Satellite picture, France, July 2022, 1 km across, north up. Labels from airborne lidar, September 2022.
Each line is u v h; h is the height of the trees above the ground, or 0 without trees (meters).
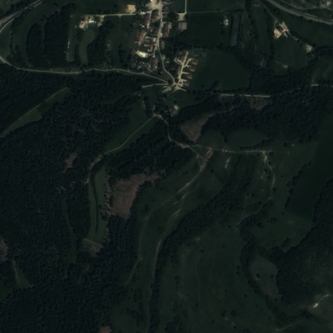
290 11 0
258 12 0
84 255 10
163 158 14
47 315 19
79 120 25
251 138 0
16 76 22
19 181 18
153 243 0
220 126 21
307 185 0
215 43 0
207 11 0
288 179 0
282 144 0
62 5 0
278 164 0
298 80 15
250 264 11
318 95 20
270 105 8
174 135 14
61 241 17
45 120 21
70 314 10
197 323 0
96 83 24
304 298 6
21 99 24
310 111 7
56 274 6
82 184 18
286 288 9
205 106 16
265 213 14
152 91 0
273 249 12
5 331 14
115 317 0
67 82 17
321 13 0
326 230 7
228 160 0
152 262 0
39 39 21
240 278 0
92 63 16
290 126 8
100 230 0
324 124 0
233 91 9
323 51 13
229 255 0
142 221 0
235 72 0
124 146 0
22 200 18
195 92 19
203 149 0
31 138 24
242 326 0
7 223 20
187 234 6
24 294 13
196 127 0
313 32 0
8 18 0
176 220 0
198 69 0
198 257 0
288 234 0
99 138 15
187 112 17
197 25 0
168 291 0
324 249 6
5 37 0
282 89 15
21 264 14
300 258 7
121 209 0
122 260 23
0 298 0
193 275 0
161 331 0
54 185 14
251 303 0
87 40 0
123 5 0
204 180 0
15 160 10
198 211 9
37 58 14
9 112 31
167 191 0
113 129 22
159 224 0
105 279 13
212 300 0
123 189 0
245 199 0
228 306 0
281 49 0
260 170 0
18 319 11
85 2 0
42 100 25
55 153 18
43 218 18
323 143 0
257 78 17
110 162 7
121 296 16
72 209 19
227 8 0
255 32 13
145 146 10
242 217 0
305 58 0
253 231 0
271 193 0
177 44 9
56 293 13
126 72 0
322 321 0
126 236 21
